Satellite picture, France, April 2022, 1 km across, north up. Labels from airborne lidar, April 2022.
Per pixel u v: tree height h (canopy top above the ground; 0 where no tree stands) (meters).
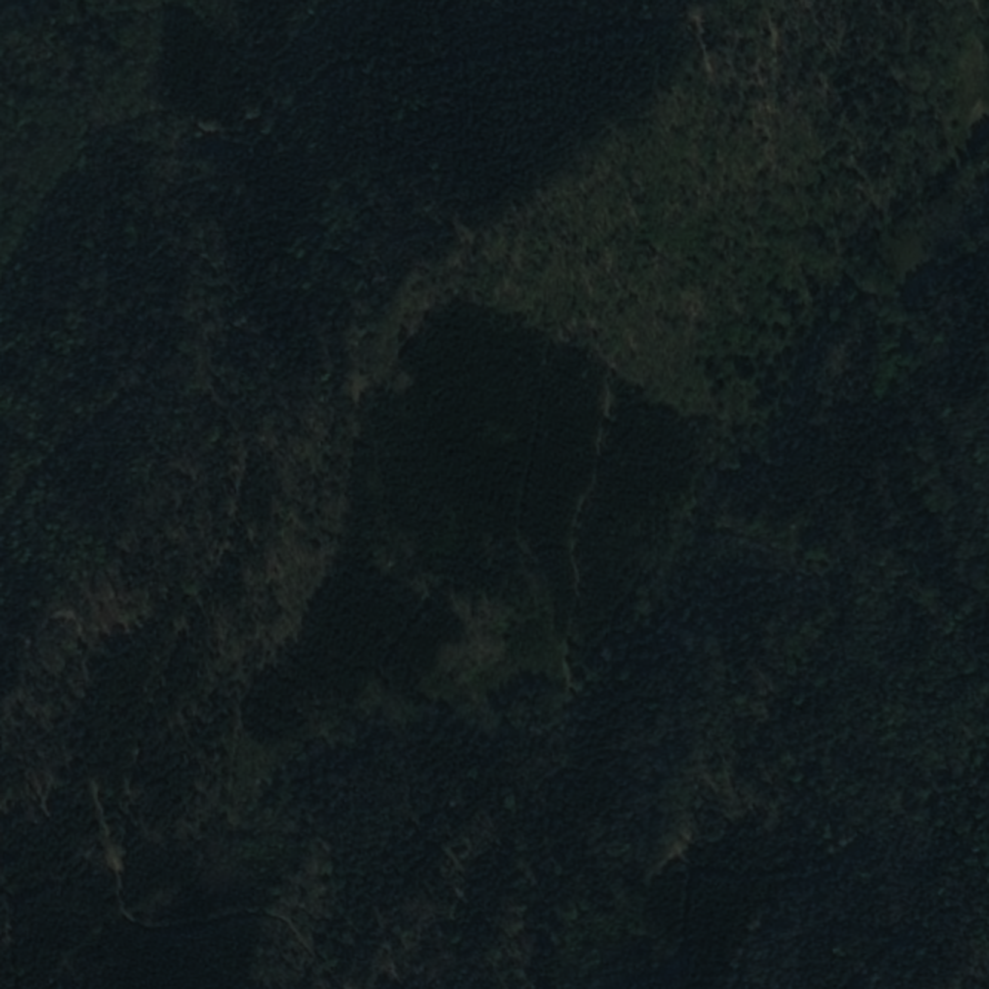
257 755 12
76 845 28
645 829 11
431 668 22
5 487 20
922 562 25
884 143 25
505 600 16
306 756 30
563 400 19
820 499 24
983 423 22
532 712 27
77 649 13
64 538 18
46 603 13
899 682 24
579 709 22
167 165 22
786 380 11
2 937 27
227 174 29
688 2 13
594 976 19
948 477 23
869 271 26
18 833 28
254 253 31
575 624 18
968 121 0
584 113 24
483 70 25
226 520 26
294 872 8
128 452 16
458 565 18
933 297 29
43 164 24
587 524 20
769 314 26
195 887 14
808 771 7
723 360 29
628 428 17
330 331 20
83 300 19
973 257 29
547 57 23
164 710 30
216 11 22
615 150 20
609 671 31
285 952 13
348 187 11
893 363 27
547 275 23
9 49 24
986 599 28
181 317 23
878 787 22
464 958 29
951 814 24
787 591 27
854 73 21
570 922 13
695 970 24
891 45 27
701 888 21
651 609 26
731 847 13
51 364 18
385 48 27
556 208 21
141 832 28
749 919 15
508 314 11
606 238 20
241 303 29
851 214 24
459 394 20
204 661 24
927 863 19
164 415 18
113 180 23
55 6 30
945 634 26
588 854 30
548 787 28
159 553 15
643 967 13
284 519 26
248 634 20
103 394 17
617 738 24
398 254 17
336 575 21
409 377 16
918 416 24
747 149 21
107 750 30
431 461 20
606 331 22
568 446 20
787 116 30
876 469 31
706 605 17
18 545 15
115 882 30
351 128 16
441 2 26
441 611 23
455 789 26
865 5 26
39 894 28
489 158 24
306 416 19
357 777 33
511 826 32
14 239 21
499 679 7
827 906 21
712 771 23
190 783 30
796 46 28
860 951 24
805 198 26
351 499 15
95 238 16
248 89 27
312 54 18
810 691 28
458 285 18
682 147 24
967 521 27
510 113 25
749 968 21
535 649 8
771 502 28
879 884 23
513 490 14
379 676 22
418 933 20
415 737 25
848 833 25
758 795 25
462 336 14
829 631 25
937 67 29
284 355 28
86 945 11
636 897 13
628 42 26
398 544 11
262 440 23
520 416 18
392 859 35
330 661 22
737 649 26
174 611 24
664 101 16
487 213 20
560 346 16
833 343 14
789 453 27
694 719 19
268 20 25
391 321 13
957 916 19
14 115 23
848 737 23
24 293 18
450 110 20
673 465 21
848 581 20
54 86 22
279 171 23
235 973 11
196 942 15
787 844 8
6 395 19
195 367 23
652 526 20
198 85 20
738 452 23
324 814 24
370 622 23
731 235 23
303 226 20
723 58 22
